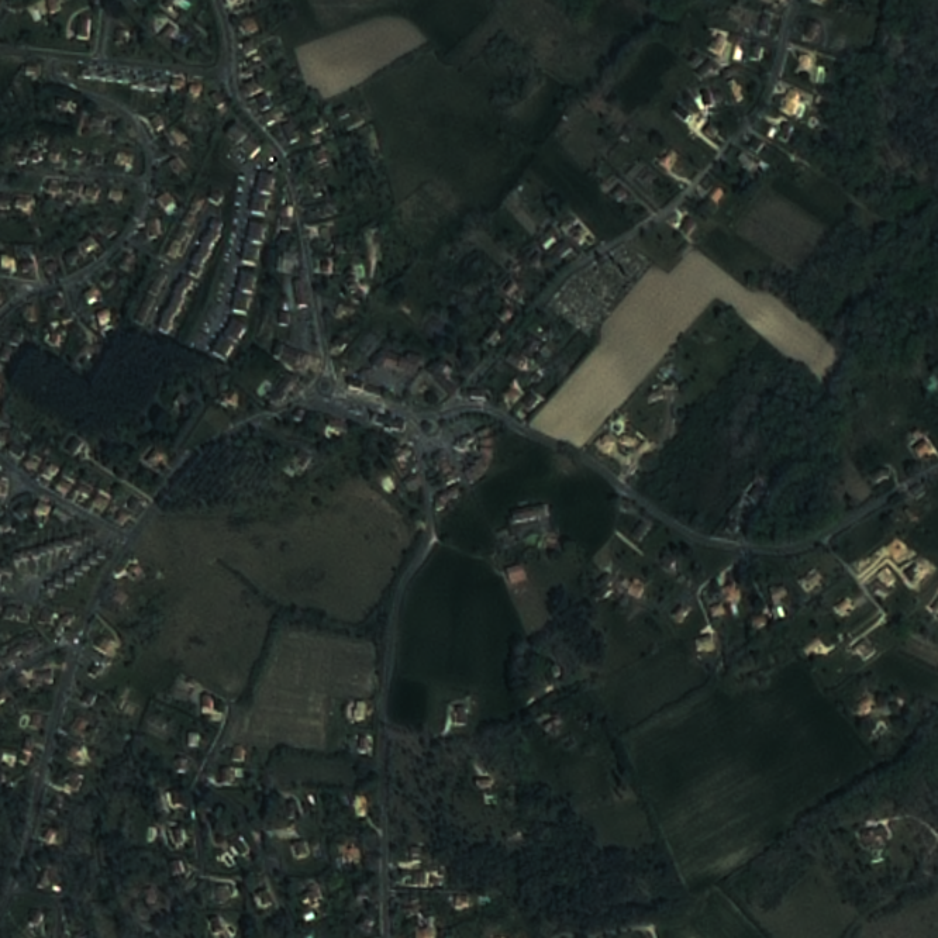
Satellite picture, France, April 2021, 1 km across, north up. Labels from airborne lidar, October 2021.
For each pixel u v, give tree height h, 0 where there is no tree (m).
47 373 20
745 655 6
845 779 0
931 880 8
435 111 0
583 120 0
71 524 9
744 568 13
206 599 0
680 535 0
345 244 6
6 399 7
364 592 0
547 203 12
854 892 16
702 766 0
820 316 15
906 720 15
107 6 13
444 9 0
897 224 19
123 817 7
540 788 8
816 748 0
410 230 0
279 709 0
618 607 9
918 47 23
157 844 6
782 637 9
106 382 17
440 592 0
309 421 14
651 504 0
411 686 0
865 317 25
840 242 17
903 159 28
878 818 8
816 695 0
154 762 13
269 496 13
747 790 0
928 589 0
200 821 7
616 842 0
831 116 28
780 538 22
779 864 14
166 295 0
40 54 0
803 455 18
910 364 22
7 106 23
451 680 0
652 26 14
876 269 27
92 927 25
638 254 0
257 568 0
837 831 17
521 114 0
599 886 14
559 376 11
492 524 0
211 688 0
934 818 17
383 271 12
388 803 8
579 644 23
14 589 0
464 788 14
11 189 13
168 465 6
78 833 21
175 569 0
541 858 21
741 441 18
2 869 11
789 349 0
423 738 13
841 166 26
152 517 0
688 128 0
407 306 0
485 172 0
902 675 0
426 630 0
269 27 6
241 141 0
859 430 0
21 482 0
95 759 11
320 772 0
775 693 0
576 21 24
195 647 0
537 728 16
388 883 0
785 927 0
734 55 0
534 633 0
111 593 15
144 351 12
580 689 9
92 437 18
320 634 6
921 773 23
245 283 0
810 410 12
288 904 10
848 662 0
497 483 0
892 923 0
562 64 0
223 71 0
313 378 8
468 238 20
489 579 0
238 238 0
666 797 0
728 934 0
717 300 0
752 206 0
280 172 9
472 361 12
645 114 0
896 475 0
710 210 14
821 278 17
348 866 7
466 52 0
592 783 0
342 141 13
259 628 0
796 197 0
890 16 18
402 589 0
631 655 0
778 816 0
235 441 10
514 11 0
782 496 23
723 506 0
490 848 13
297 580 0
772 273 8
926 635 15
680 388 7
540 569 0
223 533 0
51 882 13
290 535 0
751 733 0
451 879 10
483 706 0
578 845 17
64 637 0
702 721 0
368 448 15
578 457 15
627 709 0
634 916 15
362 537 0
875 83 25
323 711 0
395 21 0
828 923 0
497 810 13
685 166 0
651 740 0
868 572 0
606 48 0
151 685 0
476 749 16
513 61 18
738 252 0
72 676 0
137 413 19
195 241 0
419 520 10
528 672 21
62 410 18
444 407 0
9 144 19
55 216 15
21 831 15
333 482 7
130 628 8
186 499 10
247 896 12
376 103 0
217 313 0
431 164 0
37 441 6
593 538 0
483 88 0
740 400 13
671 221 0
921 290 18
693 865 0
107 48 0
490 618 0
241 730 0
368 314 8
